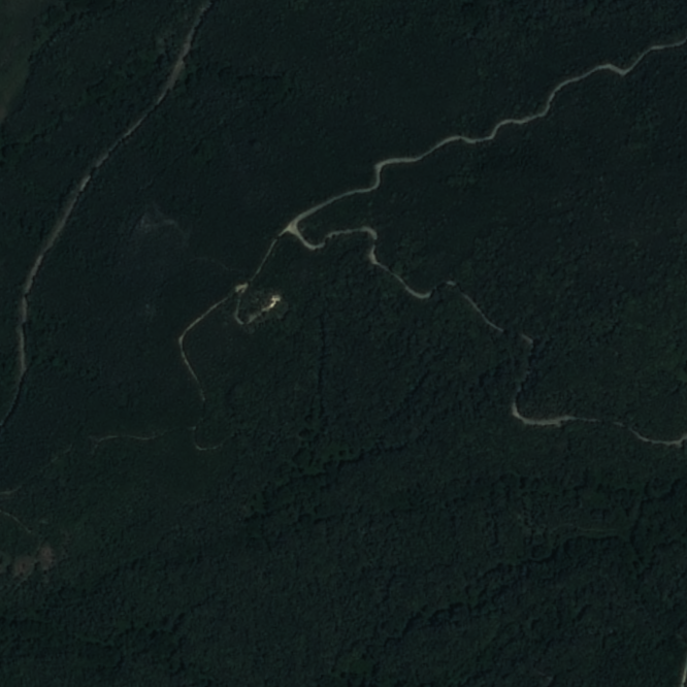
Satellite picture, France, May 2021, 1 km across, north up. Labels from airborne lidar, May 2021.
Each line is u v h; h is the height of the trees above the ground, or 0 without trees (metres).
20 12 0
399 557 16
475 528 15
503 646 14
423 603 19
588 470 15
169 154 6
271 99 7
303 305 9
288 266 7
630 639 11
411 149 6
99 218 6
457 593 19
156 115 9
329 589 16
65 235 6
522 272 8
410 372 16
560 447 13
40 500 7
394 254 6
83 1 20
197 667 17
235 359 6
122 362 6
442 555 12
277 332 9
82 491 9
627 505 13
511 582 21
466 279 17
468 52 7
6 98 0
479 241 13
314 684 14
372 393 11
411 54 8
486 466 15
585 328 14
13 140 9
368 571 14
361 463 21
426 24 6
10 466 5
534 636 11
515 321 9
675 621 19
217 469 7
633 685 8
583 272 6
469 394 16
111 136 6
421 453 14
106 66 8
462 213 7
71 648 22
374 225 9
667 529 19
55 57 12
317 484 24
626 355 14
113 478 8
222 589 15
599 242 7
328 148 6
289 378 16
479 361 17
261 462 13
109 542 7
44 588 12
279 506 12
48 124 7
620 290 11
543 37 6
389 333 11
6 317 7
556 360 17
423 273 7
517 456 13
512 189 6
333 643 13
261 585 15
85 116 6
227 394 11
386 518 18
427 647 10
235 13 9
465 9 21
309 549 10
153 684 8
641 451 8
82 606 11
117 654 23
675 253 8
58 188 7
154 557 20
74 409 6
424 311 6
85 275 6
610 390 14
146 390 7
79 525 8
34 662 8
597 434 12
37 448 7
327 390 21
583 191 7
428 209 7
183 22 8
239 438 13
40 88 8
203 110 7
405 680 16
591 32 7
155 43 12
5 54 0
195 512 11
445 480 17
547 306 9
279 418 10
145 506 8
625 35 6
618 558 27
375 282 15
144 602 12
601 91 6
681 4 6
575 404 8
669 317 12
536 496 14
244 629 14
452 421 17
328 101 6
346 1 7
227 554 18
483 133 11
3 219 6
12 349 6
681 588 15
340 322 17
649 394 14
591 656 16
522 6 10
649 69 8
